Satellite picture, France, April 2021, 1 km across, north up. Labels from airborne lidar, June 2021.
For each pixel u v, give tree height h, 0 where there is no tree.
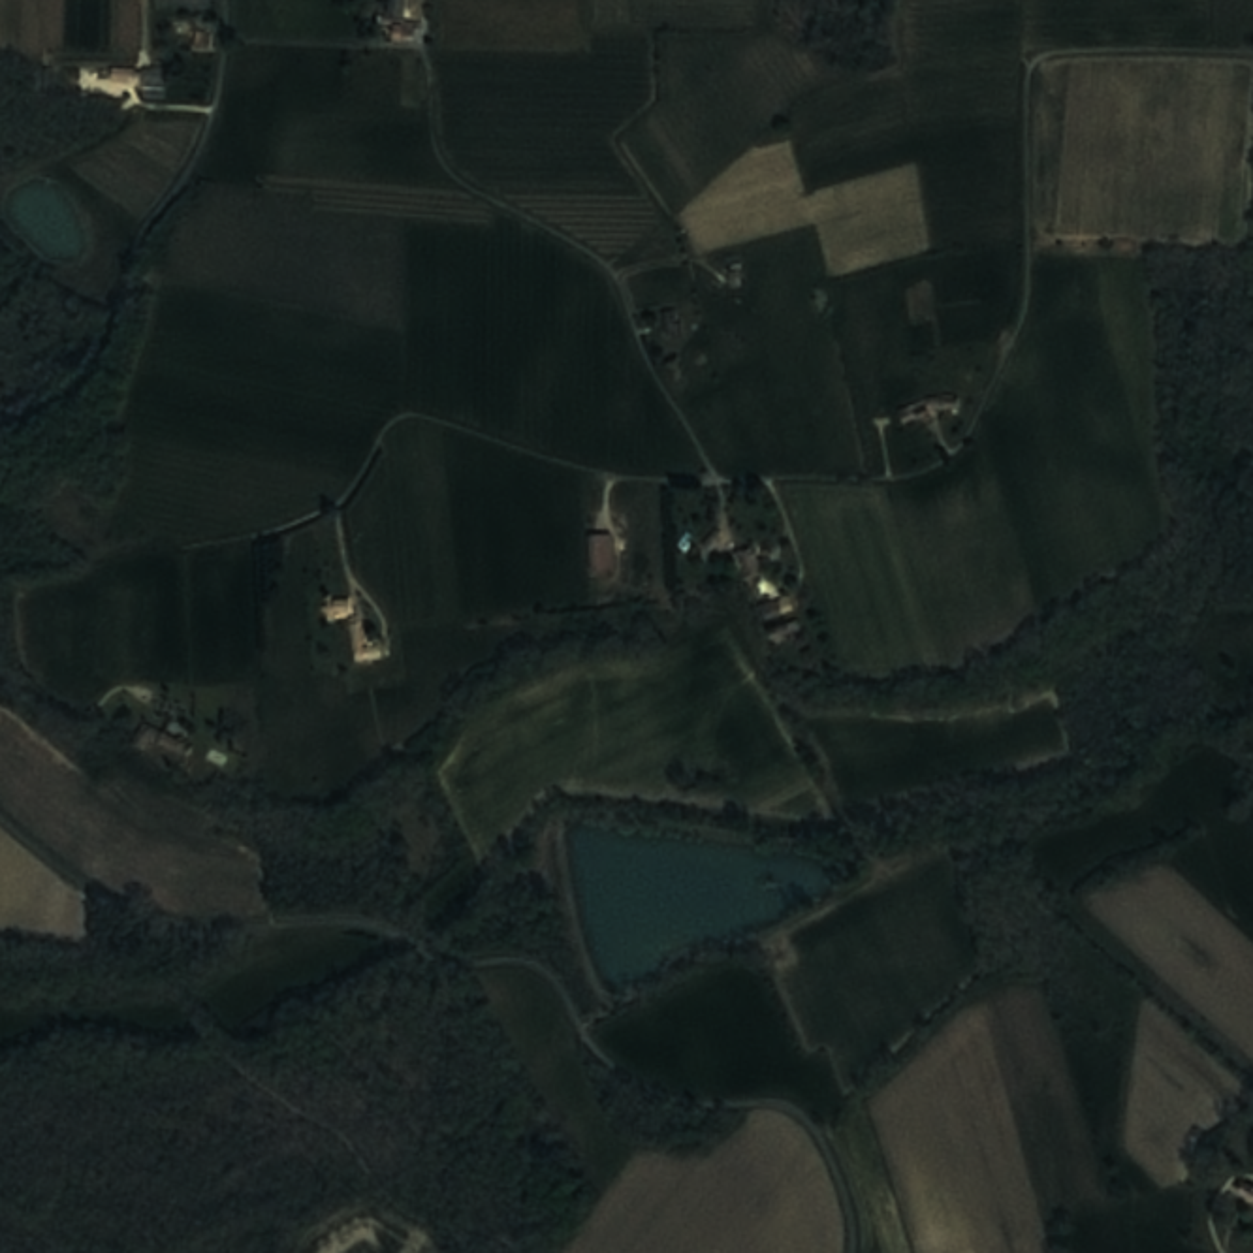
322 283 0
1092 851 0
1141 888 0
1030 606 0
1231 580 20
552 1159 25
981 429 0
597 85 0
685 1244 0
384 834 18
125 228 0
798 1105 0
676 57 0
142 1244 20
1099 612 24
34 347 8
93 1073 21
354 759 0
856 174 0
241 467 0
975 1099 0
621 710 0
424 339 0
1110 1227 0
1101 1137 8
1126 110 0
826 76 0
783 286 0
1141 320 0
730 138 0
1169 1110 0
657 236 0
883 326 0
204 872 0
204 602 0
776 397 0
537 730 0
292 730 0
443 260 0
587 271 0
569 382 0
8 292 6
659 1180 0
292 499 0
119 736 11
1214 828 0
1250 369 24
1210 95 0
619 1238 0
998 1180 0
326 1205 18
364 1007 26
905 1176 0
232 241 0
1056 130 0
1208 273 11
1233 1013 0
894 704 20
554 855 0
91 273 0
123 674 0
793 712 13
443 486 0
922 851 15
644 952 0
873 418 0
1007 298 0
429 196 0
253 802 10
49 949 17
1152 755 18
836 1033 0
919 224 0
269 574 12
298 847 21
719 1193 0
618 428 0
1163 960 0
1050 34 0
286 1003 16
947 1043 0
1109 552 0
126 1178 14
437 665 0
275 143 0
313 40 0
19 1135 12
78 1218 17
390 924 21
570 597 0
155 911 17
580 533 0
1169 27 0
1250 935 0
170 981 21
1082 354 0
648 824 21
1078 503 0
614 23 0
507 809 0
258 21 0
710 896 0
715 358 0
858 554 0
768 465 0
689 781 24
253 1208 15
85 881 0
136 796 0
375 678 0
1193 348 11
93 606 0
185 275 0
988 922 24
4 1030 0
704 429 0
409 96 0
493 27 0
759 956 15
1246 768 21
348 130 0
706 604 14
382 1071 19
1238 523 25
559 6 0
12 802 0
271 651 0
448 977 19
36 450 20
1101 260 0
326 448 0
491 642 0
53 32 0
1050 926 11
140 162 0
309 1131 10
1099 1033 12
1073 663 11
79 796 0
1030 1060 0
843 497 0
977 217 0
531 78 0
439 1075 15
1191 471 18
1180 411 11
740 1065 0
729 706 0
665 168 0
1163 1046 0
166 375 0
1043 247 0
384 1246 0
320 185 0
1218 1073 0
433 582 0
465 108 0
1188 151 0
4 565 7
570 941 12
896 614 0
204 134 0
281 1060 17
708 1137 18
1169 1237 0
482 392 0
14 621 13
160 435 0
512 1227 18
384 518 0
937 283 0
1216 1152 20
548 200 0
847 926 0
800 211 0
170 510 0
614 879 0
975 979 8
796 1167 0
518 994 0
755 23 0
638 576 0
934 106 0
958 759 0
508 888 13
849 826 22
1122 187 0
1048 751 0
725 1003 0
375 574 0
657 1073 0
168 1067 16
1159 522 0
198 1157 9
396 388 0
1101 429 0
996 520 0
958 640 0
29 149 19
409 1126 16
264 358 0
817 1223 0
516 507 0
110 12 0
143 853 0
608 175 0
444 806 16
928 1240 0
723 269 0
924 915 0
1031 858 29
